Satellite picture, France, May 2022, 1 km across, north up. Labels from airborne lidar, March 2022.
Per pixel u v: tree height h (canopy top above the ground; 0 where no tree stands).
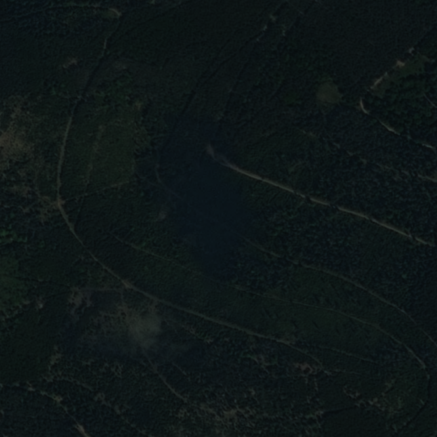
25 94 15
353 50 25
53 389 13
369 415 22
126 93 26
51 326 14
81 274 14
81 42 19
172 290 7
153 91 28
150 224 8
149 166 7
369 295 11
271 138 7
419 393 14
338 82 27
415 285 16
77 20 9
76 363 11
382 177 14
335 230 35
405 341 9
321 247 32
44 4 20
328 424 21
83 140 6
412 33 27
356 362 9
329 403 18
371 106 31
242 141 25
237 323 7
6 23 13
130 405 9
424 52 24
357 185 8
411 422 9
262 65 14
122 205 9
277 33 14
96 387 10
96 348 10
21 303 21
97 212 12
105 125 6
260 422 9
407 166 8
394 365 22
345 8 24
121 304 8
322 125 22
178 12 19
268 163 7
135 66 26
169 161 22
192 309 9
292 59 19
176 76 18
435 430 12
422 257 18
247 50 25
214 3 25
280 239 6
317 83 28
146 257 8
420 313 23
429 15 25
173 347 8
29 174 14
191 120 22
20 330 18
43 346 14
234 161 11
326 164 11
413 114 33
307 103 25
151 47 20
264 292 28
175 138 21
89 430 12
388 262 7
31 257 18
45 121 7
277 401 12
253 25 20
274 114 24
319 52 18
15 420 18
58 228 11
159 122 16
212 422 8
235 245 31
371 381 15
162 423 9
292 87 28
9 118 9
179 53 17
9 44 15
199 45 20
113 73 23
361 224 8
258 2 20
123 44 17
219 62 14
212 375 7
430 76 25
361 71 24
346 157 7
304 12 25
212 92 24
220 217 8
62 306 15
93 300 9
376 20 24
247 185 7
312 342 7
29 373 18
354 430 22
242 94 17
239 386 30
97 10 7
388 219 11
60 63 18
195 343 10
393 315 6
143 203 6
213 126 22
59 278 12
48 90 18
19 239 17
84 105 16
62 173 8
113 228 14
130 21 18
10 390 23
